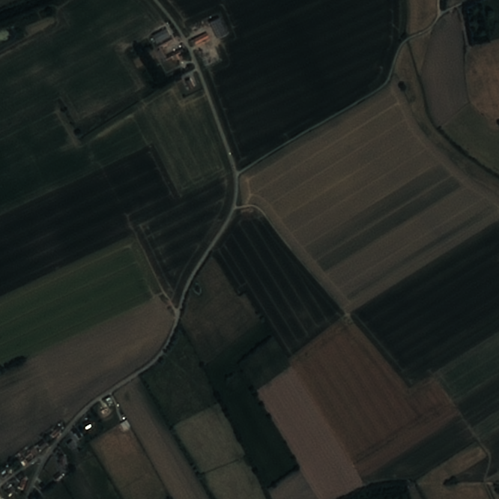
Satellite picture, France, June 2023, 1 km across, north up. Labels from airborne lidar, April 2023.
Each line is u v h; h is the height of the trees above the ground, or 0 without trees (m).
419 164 0
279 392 0
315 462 0
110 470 0
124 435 0
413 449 0
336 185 0
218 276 0
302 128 0
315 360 0
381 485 6
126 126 0
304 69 0
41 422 0
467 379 0
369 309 0
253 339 0
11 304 0
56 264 0
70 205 0
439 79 0
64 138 0
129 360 0
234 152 0
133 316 0
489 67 0
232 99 0
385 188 0
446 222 0
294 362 0
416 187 0
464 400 0
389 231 0
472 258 0
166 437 0
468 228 0
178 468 0
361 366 0
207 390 0
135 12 0
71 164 0
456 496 0
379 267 0
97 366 0
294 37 0
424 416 0
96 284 0
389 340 0
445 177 0
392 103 0
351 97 0
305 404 0
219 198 0
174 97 0
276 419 0
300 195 0
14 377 0
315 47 0
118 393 0
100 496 0
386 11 0
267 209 0
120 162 0
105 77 0
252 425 0
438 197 0
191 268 0
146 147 0
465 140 0
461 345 0
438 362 0
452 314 0
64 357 0
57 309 0
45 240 0
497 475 0
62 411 0
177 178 0
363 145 0
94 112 0
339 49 0
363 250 0
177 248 0
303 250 0
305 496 0
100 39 0
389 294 0
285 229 0
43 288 0
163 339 0
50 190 0
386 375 0
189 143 0
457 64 0
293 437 0
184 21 0
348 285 0
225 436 0
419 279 0
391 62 0
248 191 0
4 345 0
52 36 0
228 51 0
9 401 0
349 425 0
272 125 0
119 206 0
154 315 0
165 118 0
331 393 0
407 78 0
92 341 0
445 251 0
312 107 0
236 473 0
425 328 0
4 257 0
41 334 0
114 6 0
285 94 0
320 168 0
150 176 0
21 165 0
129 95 0
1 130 0
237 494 0
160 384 0
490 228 0
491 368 0
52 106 0
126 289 0
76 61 0
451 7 0
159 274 0
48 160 0
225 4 0
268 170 0
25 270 0
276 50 0
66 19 0
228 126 0
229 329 0
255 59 0
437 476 0
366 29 0
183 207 0
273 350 0
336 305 0
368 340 0
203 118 0
